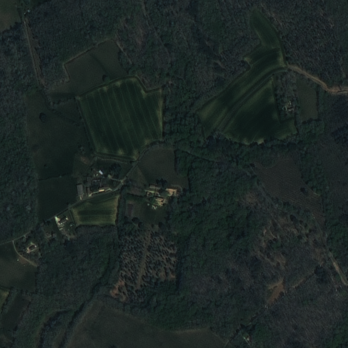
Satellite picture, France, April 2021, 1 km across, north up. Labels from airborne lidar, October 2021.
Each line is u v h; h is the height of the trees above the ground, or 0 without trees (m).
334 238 17
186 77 17
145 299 20
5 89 15
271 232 17
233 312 25
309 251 16
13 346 14
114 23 20
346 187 14
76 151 0
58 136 0
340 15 16
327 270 16
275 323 23
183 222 25
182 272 20
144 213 0
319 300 22
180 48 20
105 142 0
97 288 14
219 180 23
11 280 0
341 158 13
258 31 0
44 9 15
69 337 16
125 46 21
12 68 14
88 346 0
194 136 20
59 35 15
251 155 18
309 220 21
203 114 0
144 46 18
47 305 21
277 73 0
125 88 0
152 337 0
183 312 24
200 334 0
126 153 0
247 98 0
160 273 11
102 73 0
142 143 0
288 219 24
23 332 20
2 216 24
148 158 0
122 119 0
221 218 25
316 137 16
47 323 0
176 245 6
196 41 18
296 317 20
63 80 18
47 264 18
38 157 0
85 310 19
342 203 15
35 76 11
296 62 17
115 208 0
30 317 21
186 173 17
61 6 10
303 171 14
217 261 21
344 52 16
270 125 0
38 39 11
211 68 16
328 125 13
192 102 17
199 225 18
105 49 0
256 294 31
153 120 0
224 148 18
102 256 23
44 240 22
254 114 0
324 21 21
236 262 24
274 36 0
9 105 19
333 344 22
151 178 0
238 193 25
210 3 20
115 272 20
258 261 17
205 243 20
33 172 18
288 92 16
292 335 17
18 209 22
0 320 17
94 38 22
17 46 19
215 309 21
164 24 18
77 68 0
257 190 25
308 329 22
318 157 16
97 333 0
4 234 23
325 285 27
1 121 19
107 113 0
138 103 0
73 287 17
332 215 15
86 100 0
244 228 15
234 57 20
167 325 23
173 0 8
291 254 20
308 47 20
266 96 0
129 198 14
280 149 20
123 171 18
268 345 23
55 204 0
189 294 26
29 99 0
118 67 0
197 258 24
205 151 22
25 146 18
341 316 21
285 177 0
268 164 12
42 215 0
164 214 0
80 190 0
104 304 20
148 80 22
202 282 19
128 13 18
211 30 15
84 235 20
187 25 11
